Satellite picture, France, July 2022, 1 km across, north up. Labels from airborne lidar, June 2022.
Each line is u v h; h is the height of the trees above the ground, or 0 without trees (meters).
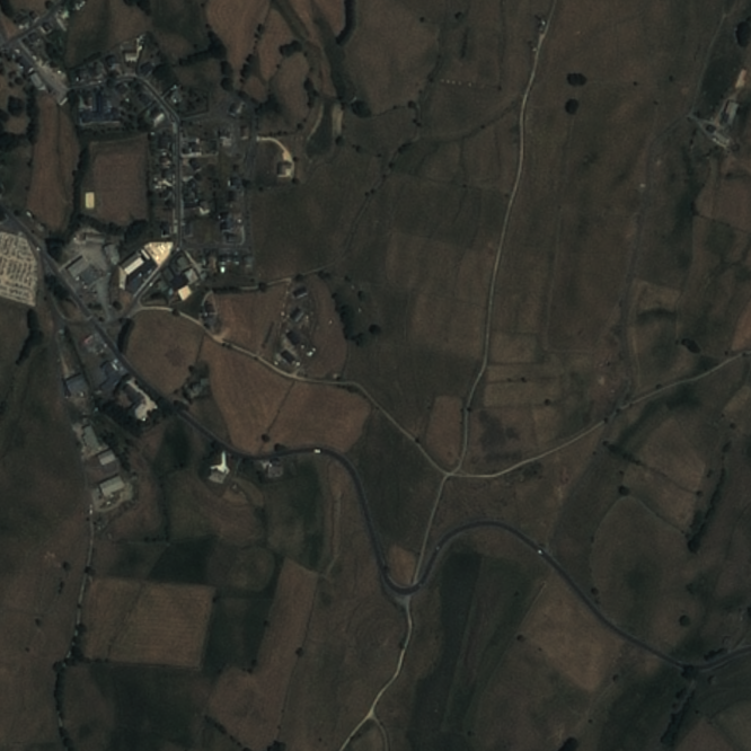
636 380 0
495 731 0
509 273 0
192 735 0
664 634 0
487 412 0
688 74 0
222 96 0
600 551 0
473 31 0
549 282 0
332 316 0
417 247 0
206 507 0
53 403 0
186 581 0
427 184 0
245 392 0
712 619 0
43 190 0
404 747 0
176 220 0
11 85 8
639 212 0
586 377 0
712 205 0
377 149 0
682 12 0
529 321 0
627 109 0
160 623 0
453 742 0
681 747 0
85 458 0
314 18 0
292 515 0
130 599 0
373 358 0
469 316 0
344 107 11
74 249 0
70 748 12
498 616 0
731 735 0
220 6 0
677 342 6
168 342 0
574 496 0
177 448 0
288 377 0
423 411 0
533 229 0
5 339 0
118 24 0
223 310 0
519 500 0
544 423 0
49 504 0
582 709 0
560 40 0
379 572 0
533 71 0
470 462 0
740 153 0
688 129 0
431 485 0
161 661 0
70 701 0
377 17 0
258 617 0
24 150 0
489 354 0
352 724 0
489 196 0
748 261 0
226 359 0
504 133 0
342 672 0
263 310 0
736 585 0
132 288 0
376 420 0
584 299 0
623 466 0
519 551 0
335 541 0
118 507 0
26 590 0
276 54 0
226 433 0
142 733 0
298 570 0
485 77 0
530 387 0
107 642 0
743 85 0
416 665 0
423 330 0
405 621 0
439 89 0
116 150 0
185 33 0
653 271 0
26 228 0
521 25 0
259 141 0
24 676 0
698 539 7
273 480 0
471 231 0
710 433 0
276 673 0
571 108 17
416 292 0
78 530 0
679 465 0
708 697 0
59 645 0
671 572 0
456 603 0
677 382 0
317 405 0
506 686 0
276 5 0
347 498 0
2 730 0
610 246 0
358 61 0
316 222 0
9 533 0
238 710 0
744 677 0
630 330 0
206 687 0
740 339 0
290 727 0
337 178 0
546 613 0
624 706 0
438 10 0
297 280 6
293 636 0
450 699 0
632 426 0
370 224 0
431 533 0
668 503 0
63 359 0
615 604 0
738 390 0
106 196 0
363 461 0
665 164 0
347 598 0
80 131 7
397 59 0
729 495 0
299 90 0
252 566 0
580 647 0
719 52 0
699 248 0
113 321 0
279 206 0
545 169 0
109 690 0
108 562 0
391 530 0
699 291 0
